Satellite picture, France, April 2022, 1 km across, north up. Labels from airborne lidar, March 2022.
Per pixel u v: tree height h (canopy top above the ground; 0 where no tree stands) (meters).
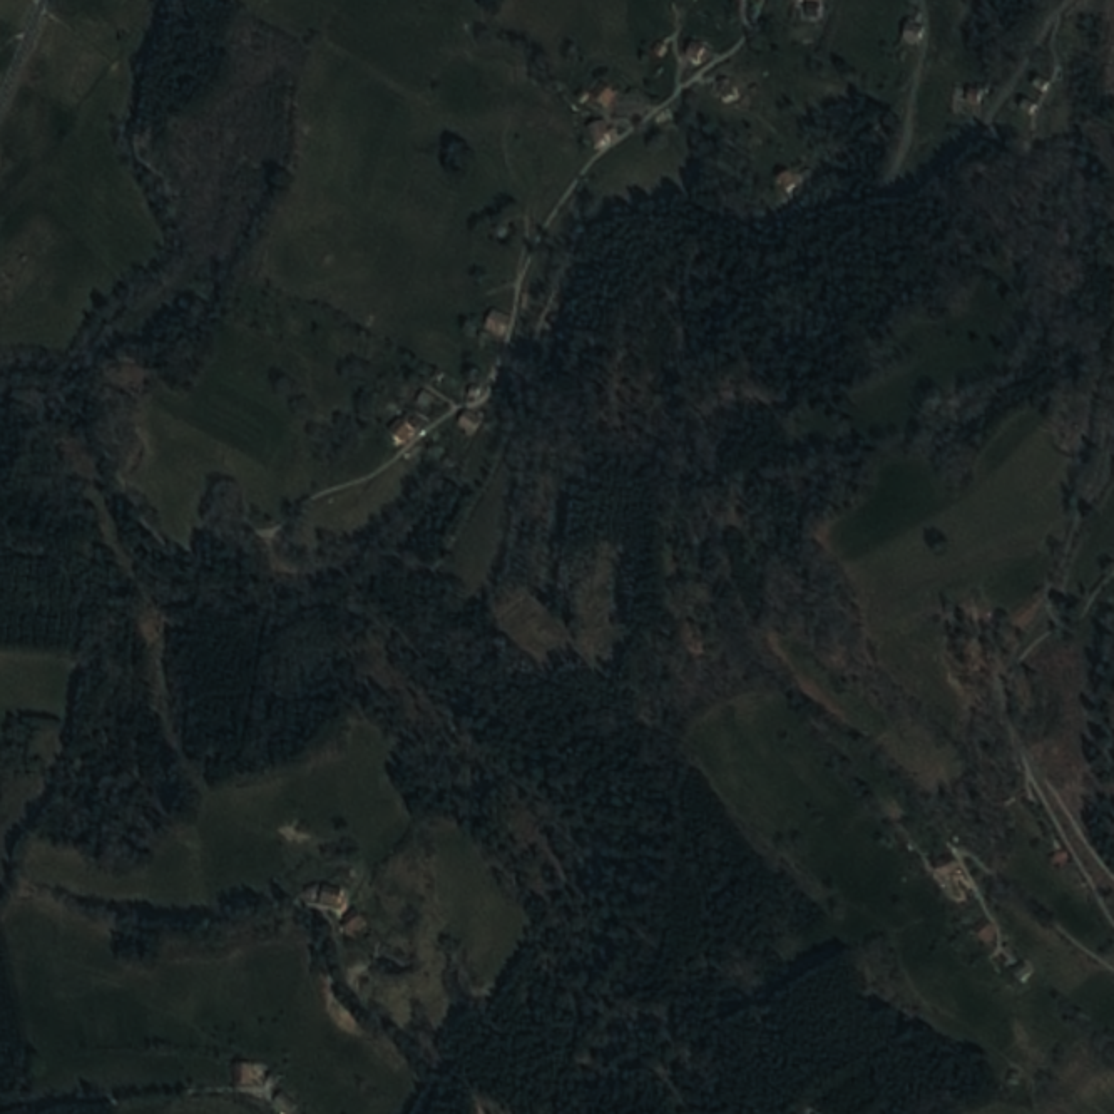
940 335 0
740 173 21
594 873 10
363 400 11
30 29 0
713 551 21
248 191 6
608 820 25
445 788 28
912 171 0
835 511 22
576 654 0
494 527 0
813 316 13
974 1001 0
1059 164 19
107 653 28
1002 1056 0
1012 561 0
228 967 0
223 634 14
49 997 0
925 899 0
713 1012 20
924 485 0
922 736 0
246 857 0
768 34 13
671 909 18
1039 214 25
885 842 15
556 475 16
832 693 0
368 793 0
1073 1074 0
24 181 0
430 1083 21
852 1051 29
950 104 0
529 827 0
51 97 0
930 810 14
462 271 0
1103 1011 0
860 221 24
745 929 22
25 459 20
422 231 0
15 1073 19
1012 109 0
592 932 7
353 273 0
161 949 20
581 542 24
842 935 0
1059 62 0
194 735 14
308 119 0
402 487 0
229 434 0
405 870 0
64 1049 0
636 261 23
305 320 0
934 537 0
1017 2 28
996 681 16
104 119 0
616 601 0
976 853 20
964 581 0
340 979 28
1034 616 0
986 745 17
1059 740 0
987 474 0
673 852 19
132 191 0
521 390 26
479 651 24
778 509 11
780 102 0
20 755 18
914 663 0
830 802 0
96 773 19
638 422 23
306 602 24
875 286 19
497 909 0
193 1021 0
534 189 0
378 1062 0
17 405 20
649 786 26
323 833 0
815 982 30
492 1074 21
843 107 17
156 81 32
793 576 19
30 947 0
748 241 19
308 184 0
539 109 0
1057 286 22
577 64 12
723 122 0
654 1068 31
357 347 0
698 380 20
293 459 0
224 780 13
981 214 30
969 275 16
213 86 31
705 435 24
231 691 16
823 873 0
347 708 20
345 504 0
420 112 0
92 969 0
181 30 31
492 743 35
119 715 12
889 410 0
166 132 25
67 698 0
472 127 0
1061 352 16
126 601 15
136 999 0
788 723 0
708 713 19
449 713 10
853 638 25
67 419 24
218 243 10
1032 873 0
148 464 0
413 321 0
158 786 7
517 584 22
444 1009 0
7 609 15
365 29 0
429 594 19
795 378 12
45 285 0
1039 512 0
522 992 23
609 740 30
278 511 0
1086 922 0
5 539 13
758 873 19
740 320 22
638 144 0
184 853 0
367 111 0
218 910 0
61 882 0
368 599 14
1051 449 0
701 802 14
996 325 0
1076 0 0
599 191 0
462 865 0
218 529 16
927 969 0
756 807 0
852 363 27
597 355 14
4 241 0
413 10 0
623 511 20
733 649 20
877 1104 17
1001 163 24
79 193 0
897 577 0
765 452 18
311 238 0
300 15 0
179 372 7
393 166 0
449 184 0
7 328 0
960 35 0
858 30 0
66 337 0
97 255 0
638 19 0
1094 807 15
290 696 13
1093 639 0
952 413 18
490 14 20
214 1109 0
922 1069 28
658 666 23
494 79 0
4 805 14
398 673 14
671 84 0
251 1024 0
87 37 0
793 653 0
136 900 0
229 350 0
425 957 0
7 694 0
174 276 22
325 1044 0
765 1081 27
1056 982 0
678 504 23
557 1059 21
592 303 20
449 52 0
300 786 0
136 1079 0
